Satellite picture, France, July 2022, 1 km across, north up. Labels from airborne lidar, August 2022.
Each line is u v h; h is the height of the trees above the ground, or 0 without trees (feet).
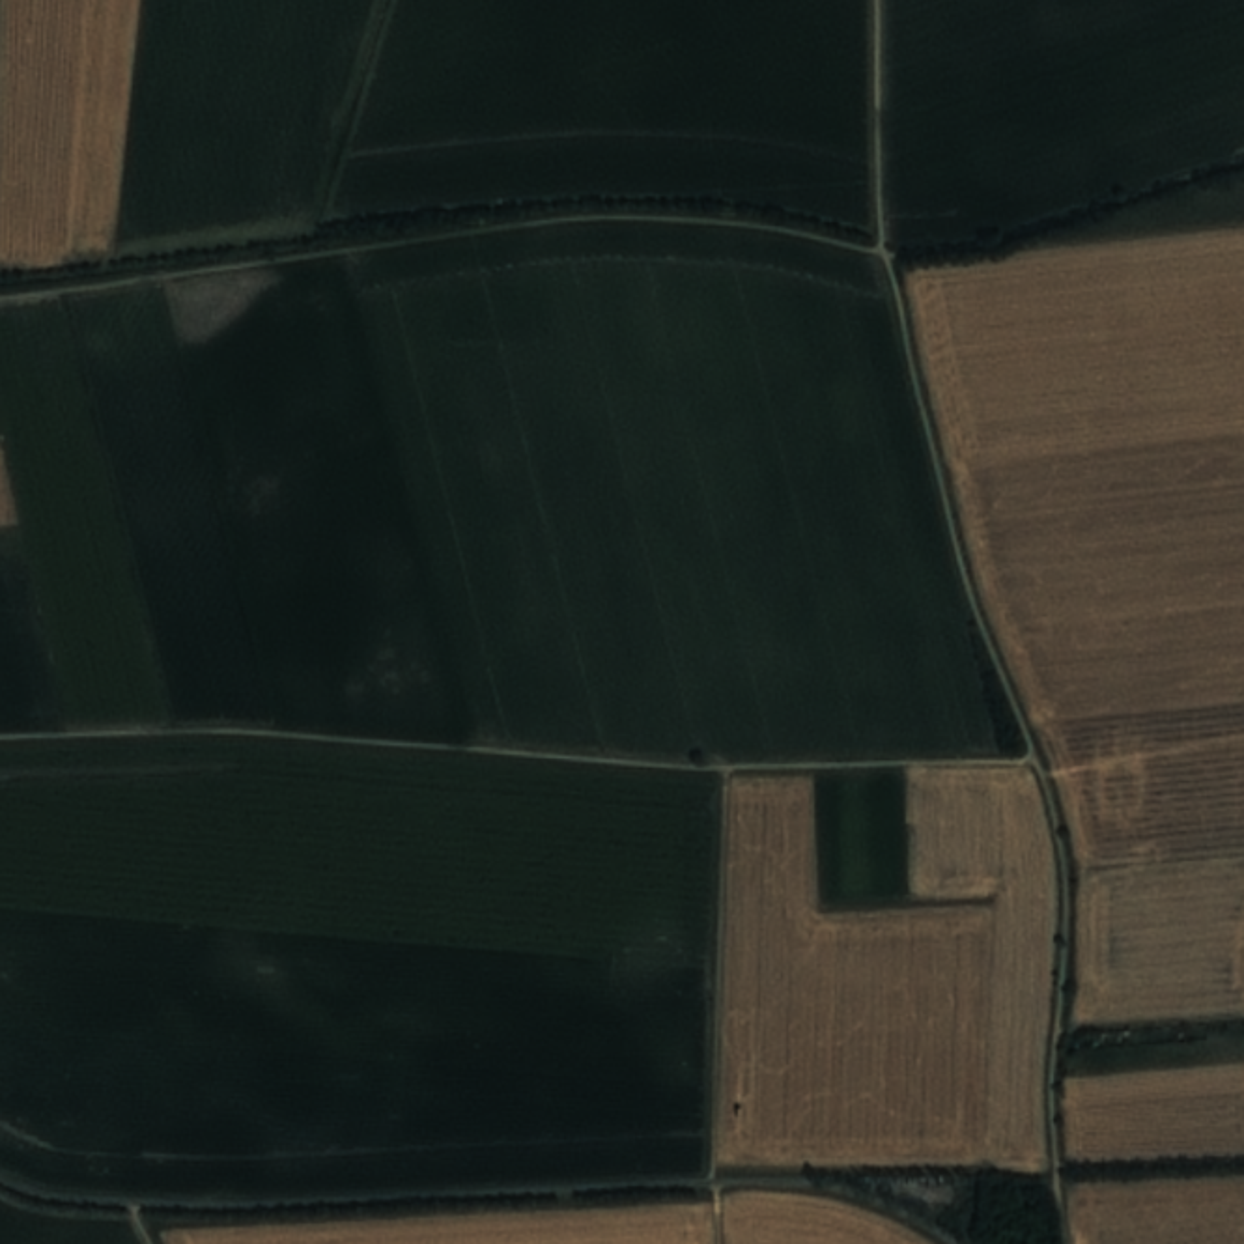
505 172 0
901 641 0
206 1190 0
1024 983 0
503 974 0
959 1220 0
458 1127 0
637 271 0
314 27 0
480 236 0
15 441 0
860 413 0
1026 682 0
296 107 0
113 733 0
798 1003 0
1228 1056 0
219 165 0
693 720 0
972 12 0
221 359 0
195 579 0
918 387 0
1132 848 0
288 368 0
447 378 0
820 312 0
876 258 0
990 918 0
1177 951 0
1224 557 0
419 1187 0
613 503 0
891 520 0
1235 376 0
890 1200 63
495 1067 0
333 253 0
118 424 0
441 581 0
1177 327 0
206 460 0
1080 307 0
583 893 0
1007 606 0
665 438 0
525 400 0
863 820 0
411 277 0
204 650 0
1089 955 0
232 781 0
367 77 0
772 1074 0
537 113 0
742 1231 0
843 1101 0
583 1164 0
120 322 0
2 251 0
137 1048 0
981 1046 0
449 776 0
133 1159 0
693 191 0
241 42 0
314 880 0
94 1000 0
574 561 0
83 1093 0
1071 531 0
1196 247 0
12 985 0
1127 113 0
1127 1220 0
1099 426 0
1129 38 0
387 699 0
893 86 0
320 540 0
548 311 0
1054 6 0
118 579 0
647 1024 0
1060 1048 25
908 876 0
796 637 0
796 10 0
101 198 0
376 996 0
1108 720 0
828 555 0
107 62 0
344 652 0
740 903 0
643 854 0
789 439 0
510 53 0
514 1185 0
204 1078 0
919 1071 0
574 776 0
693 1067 0
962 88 0
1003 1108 0
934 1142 0
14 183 0
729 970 0
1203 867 0
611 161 0
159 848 0
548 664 0
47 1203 27
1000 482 0
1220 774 0
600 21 0
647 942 0
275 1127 0
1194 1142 0
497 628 0
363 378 0
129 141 0
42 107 0
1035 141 0
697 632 0
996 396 0
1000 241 44
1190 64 0
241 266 0
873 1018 0
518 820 0
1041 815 0
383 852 0
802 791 0
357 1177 0
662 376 0
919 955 0
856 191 0
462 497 0
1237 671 0
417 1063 0
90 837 0
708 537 0
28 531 0
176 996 0
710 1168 0
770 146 0
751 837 0
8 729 0
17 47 0
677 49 0
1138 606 0
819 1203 0
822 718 0
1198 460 0
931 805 0
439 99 0
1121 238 0
